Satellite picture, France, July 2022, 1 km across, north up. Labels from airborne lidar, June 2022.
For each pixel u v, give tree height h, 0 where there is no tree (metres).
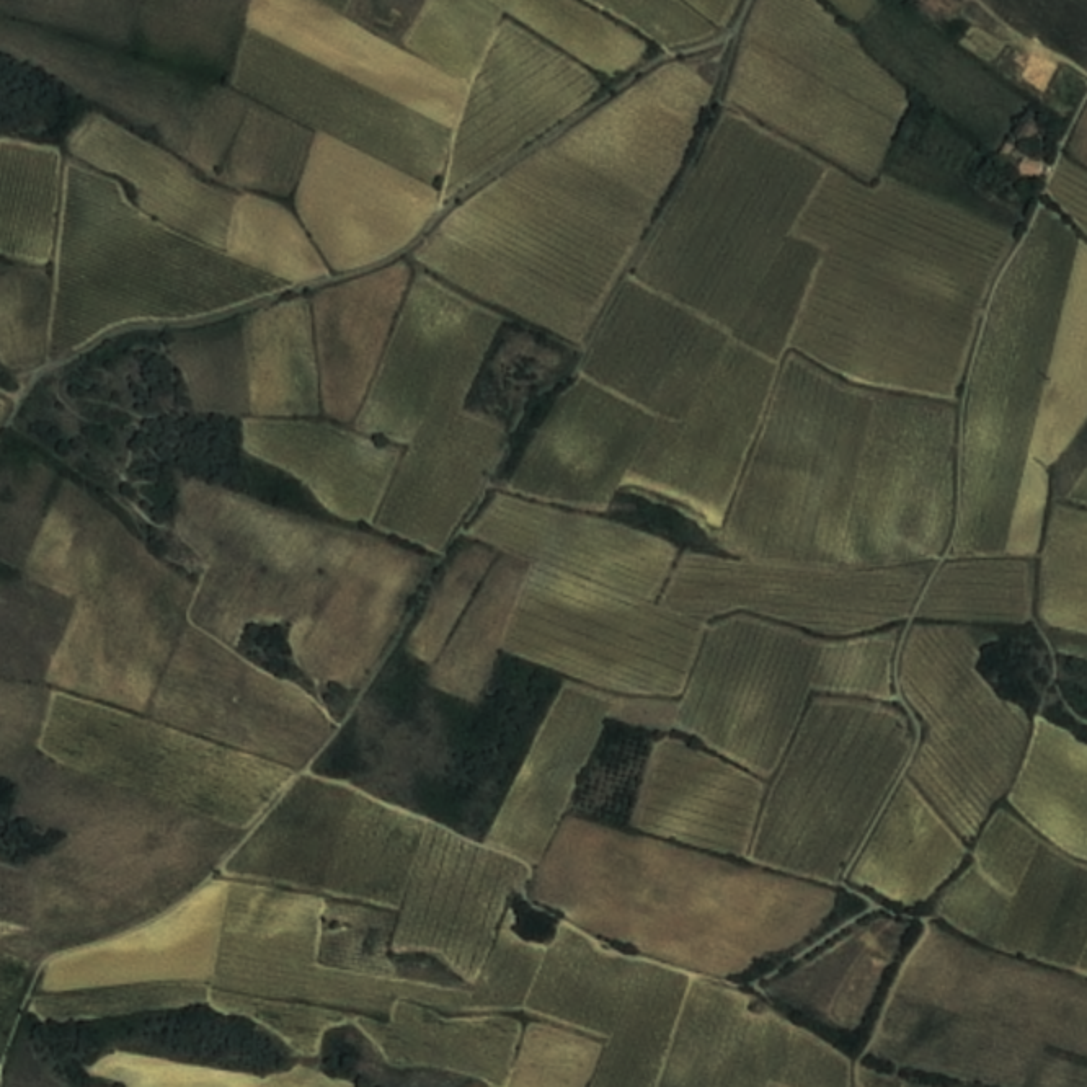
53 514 0
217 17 0
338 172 0
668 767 0
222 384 0
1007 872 0
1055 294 0
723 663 0
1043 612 0
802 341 0
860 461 0
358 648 0
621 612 0
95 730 0
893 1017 0
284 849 0
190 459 10
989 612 0
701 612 0
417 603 10
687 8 0
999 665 7
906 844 0
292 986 0
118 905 0
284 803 0
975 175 8
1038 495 0
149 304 0
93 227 0
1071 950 0
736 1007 0
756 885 0
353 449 0
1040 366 0
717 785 0
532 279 0
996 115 0
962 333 0
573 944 0
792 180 0
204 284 0
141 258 0
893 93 0
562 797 0
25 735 0
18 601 0
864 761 0
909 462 0
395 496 0
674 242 0
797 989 0
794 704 0
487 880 0
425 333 0
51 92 14
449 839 0
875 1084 0
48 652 0
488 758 8
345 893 0
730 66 0
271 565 0
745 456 0
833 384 0
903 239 0
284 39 0
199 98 0
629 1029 0
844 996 0
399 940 0
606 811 7
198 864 0
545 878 0
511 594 0
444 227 0
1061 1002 0
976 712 0
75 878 0
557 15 0
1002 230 0
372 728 0
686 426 0
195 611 0
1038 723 0
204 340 0
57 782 0
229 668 0
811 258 0
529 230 0
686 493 0
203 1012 10
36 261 0
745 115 0
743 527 0
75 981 0
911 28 0
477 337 0
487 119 0
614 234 0
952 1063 0
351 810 0
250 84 0
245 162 0
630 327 0
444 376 0
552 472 0
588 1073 0
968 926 0
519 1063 0
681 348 0
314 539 0
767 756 0
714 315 0
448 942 0
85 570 0
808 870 0
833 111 0
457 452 0
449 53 0
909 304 0
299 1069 0
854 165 0
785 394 0
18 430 0
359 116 0
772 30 0
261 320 0
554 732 0
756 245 0
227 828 0
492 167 0
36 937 0
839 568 0
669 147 0
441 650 0
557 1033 0
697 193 0
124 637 0
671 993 0
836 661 0
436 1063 0
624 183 0
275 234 0
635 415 0
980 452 0
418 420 0
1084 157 0
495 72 0
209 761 0
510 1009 0
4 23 0
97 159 0
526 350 0
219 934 0
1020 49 0
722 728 0
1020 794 0
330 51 0
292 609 0
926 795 0
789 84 0
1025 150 16
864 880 0
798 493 0
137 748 0
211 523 0
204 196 0
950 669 0
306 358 0
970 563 0
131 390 8
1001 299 0
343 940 0
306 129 0
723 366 0
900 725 0
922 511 0
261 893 0
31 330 0
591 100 8
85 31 0
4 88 14
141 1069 0
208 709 0
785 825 0
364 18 0
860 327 0
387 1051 0
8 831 12
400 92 0
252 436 0
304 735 0
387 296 0
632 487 0
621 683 0
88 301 0
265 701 0
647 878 0
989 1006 0
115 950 0
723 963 0
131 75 0
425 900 0
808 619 0
